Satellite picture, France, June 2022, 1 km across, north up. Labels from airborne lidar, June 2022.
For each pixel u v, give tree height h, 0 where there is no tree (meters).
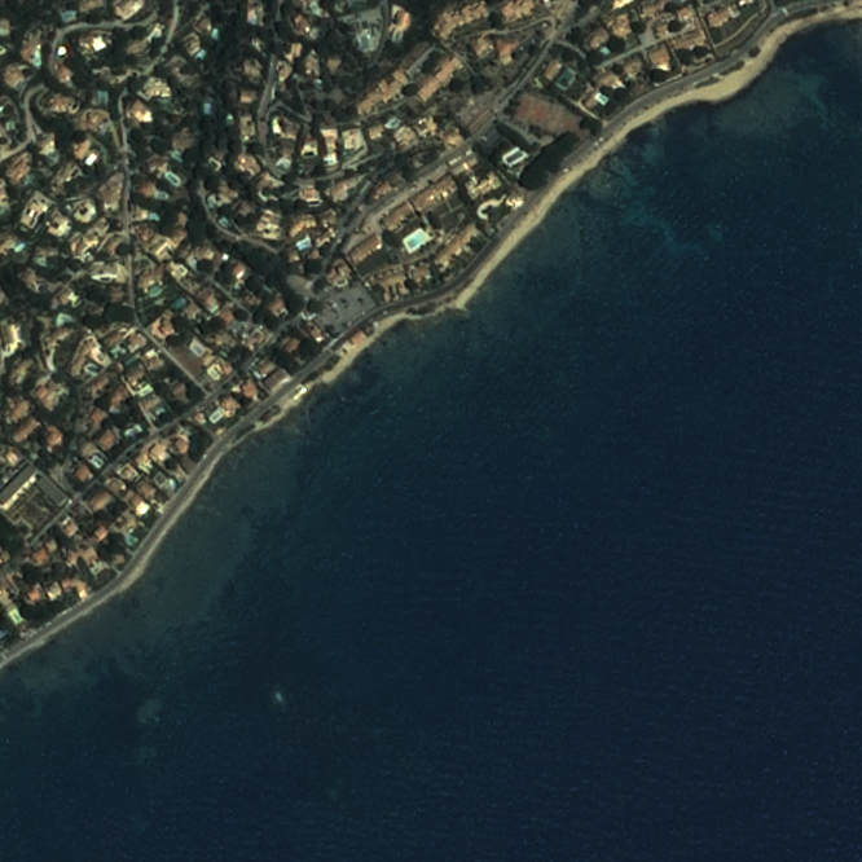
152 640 0
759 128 0
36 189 6
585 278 0
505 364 0
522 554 0
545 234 0
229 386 7
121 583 0
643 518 0
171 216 11
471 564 0
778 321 0
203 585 0
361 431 0
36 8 7
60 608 14
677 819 0
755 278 0
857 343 0
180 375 13
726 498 0
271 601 0
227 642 0
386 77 7
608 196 0
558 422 0
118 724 0
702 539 0
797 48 0
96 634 0
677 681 0
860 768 0
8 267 6
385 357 0
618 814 0
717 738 0
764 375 0
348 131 7
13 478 0
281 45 10
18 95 7
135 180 10
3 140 12
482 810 0
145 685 0
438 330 0
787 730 0
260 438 0
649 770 0
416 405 0
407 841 0
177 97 6
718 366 0
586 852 0
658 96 0
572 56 12
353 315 0
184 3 8
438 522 0
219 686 0
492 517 0
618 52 13
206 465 0
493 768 0
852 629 0
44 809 0
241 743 0
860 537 0
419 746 0
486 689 0
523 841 0
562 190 0
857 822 0
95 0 0
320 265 18
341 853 0
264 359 12
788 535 0
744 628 0
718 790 0
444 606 0
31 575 14
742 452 0
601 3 6
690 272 0
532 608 0
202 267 14
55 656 0
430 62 11
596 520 0
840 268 0
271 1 11
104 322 12
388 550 0
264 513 0
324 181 7
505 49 0
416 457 0
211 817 0
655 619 0
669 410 0
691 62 11
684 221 0
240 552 0
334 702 0
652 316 0
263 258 12
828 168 0
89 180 12
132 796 0
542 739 0
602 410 0
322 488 0
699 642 0
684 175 0
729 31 0
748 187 0
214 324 13
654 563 0
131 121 12
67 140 15
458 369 0
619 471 0
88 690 0
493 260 0
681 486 0
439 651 0
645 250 0
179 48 9
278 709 0
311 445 0
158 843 0
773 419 0
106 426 16
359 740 0
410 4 10
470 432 0
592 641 0
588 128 14
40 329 7
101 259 9
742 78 0
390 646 0
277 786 0
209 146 16
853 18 0
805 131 0
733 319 0
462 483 0
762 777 0
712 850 0
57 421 8
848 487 0
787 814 0
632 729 0
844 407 0
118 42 12
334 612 0
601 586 0
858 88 0
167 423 12
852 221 0
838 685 0
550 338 0
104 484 6
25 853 0
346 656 0
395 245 10
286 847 0
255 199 14
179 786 0
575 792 0
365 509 0
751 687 0
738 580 0
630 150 0
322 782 0
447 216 0
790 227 0
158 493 7
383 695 0
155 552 0
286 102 8
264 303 14
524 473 0
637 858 0
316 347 16
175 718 0
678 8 12
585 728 0
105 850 0
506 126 8
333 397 0
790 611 0
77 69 14
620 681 0
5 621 16
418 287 8
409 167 10
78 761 0
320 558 0
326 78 8
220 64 7
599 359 0
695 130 0
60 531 14
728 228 0
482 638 0
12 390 7
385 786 0
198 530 0
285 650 0
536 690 0
